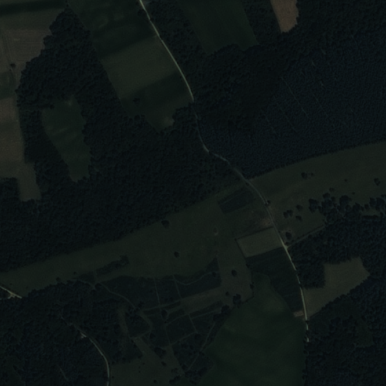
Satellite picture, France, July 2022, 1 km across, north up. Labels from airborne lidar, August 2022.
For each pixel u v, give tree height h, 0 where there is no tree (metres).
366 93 21
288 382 0
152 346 0
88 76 14
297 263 17
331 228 23
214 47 0
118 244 0
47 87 8
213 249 0
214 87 18
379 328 23
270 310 0
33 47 0
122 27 0
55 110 0
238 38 0
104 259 0
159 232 0
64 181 15
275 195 0
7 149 0
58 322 24
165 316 21
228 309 15
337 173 0
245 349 0
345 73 20
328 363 19
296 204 0
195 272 0
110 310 17
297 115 21
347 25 18
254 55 24
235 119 8
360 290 17
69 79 11
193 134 20
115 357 15
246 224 0
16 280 0
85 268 0
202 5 0
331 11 26
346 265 0
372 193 0
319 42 18
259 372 0
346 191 0
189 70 6
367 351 21
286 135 23
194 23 0
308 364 15
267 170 19
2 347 24
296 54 17
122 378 0
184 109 9
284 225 0
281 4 0
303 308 0
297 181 0
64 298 20
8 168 0
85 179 14
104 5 0
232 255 0
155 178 12
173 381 10
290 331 0
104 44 0
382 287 29
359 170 0
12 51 0
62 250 8
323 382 27
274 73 23
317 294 0
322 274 22
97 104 12
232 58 18
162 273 0
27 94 12
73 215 12
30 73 16
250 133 13
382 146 0
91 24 0
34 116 7
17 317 31
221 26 0
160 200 16
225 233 0
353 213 17
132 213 22
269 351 0
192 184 9
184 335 6
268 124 21
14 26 0
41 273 0
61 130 0
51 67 15
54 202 20
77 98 6
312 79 21
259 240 0
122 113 13
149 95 0
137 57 0
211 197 0
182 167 16
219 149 19
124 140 19
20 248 13
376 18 16
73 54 5
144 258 0
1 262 11
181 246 0
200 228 0
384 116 24
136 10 0
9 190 17
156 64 0
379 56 16
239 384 0
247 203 0
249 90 25
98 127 15
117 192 9
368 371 15
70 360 19
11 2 0
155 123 0
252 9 16
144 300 0
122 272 0
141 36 0
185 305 0
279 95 21
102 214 16
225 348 0
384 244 15
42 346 32
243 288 0
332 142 19
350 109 19
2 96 0
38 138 11
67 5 8
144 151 14
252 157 23
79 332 16
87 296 16
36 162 17
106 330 15
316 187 0
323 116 23
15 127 0
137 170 21
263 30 15
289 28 0
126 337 0
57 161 11
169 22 8
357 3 13
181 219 0
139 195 10
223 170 12
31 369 31
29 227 9
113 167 9
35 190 0
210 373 0
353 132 20
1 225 16
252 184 0
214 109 21
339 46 19
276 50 18
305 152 20
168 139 11
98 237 16
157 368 0
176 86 0
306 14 13
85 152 0
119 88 0
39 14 0
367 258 21
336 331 22
